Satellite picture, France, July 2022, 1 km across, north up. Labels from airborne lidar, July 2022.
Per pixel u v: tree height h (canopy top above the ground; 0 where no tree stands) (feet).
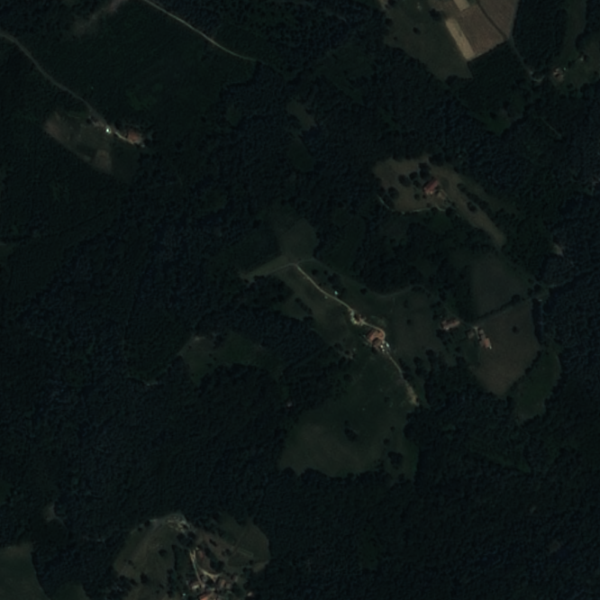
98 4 57
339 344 20
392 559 61
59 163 26
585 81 0
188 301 83
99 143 0
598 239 104
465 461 78
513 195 38
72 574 103
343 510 96
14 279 30
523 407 0
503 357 0
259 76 73
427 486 76
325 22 32
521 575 60
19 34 57
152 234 81
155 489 76
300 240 0
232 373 69
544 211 29
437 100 61
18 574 0
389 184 0
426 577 62
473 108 21
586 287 112
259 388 42
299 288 0
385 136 45
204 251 73
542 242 23
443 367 37
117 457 51
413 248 57
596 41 0
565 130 56
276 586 88
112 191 21
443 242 24
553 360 0
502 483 76
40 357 22
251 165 68
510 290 0
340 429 0
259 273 0
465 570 78
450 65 0
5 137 31
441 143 88
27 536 25
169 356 22
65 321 72
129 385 73
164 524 0
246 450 88
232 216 54
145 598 0
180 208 58
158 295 79
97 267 87
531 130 58
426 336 0
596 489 75
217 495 60
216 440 54
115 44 17
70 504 110
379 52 72
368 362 0
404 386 0
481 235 48
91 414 61
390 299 0
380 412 0
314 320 35
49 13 57
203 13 75
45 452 29
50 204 25
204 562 0
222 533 45
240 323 125
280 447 53
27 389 33
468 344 0
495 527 65
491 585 78
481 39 0
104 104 26
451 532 61
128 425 49
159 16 23
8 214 30
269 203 71
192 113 19
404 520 73
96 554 94
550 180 48
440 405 61
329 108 61
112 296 22
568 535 85
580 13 0
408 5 0
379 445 0
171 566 0
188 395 91
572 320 108
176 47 19
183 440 89
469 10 0
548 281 69
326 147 100
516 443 53
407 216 24
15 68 22
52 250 30
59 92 19
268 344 116
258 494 61
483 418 67
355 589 86
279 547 61
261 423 62
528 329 0
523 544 79
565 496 69
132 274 25
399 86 54
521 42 26
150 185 73
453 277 30
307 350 117
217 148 19
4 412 70
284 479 86
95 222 36
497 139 66
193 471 49
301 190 59
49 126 0
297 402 45
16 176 28
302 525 83
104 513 75
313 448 0
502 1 0
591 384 99
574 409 51
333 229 57
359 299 0
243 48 23
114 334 82
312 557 73
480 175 75
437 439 66
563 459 40
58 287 71
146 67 20
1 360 31
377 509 49
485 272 0
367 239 30
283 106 75
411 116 61
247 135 95
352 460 0
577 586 80
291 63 63
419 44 0
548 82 43
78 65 18
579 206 109
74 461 77
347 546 56
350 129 69
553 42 37
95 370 48
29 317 88
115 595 85
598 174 84
